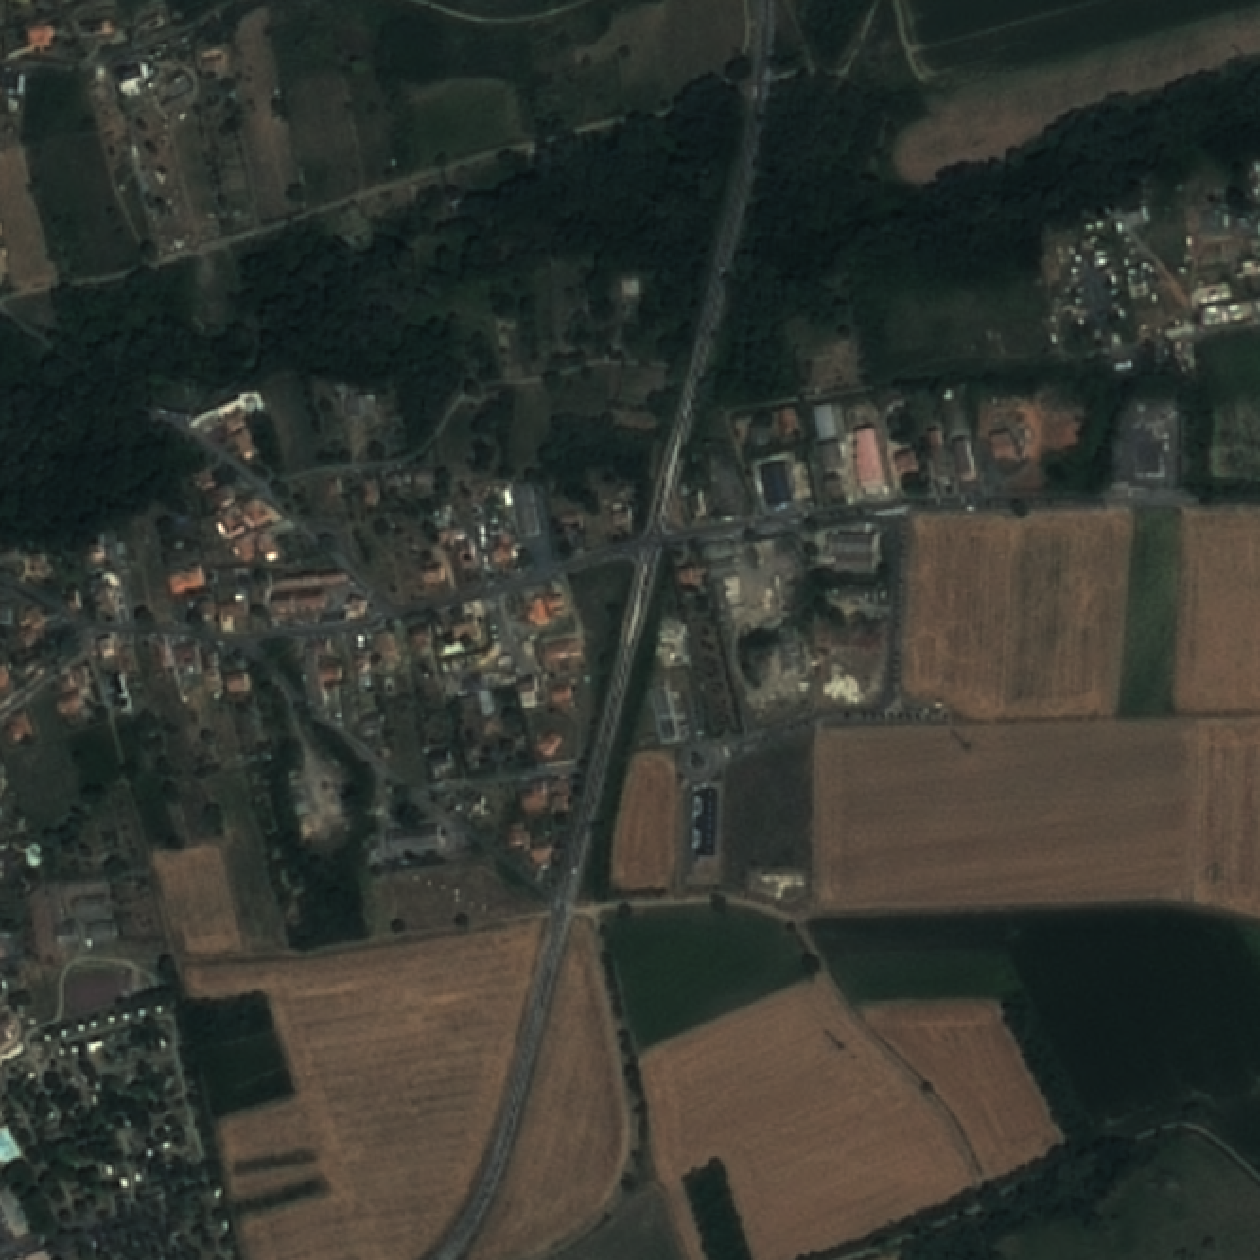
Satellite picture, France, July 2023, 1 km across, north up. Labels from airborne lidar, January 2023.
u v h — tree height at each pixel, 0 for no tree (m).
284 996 0
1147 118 19
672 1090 0
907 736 0
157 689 0
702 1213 6
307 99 0
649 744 0
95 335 14
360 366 22
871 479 0
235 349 15
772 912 0
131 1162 9
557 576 0
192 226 0
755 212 13
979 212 24
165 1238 17
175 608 0
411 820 22
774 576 0
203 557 0
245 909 0
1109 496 0
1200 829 0
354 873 6
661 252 15
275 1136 0
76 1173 14
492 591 0
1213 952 0
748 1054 0
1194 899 0
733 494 0
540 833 0
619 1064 0
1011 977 0
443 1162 0
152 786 0
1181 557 0
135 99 0
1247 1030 0
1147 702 0
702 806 0
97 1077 8
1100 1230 18
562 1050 0
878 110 10
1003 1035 0
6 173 0
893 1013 0
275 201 0
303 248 11
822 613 6
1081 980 0
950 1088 0
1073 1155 15
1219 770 0
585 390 0
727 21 0
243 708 6
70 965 0
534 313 9
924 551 0
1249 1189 0
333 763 0
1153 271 0
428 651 0
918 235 9
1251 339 0
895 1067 0
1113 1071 0
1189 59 0
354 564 0
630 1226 0
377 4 6
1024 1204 12
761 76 0
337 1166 0
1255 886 0
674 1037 0
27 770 0
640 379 0
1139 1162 12
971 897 0
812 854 0
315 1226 0
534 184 21
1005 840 0
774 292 24
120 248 0
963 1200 6
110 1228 16
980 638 0
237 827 0
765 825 0
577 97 0
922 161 0
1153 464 0
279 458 10
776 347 15
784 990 0
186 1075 7
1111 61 0
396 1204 0
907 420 9
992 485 0
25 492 10
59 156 0
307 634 0
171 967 15
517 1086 0
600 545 0
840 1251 6
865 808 0
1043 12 0
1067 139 15
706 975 0
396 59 9
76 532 19
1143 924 0
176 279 10
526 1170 0
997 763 0
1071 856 0
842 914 0
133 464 18
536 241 20
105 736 0
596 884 0
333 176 0
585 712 0
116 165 0
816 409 0
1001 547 0
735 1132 0
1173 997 0
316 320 19
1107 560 0
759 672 0
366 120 0
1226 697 0
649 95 0
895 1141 0
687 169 22
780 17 0
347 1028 0
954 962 0
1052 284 0
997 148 0
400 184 0
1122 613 0
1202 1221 0
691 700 0
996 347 0
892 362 0
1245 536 0
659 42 0
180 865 0
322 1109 0
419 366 13
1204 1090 0
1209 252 0
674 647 0
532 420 0
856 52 0
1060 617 0
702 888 0
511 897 0
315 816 0
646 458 9
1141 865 0
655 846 0
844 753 0
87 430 21
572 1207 0
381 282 17
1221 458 0
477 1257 0
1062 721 0
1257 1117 0
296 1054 0
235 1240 8
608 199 34
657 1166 0
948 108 0
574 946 0
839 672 0
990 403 0
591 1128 0
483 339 7
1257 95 20
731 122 23
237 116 6
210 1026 9
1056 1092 5
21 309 0
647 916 0
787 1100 0
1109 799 0
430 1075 0
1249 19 0
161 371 16
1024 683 0
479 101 0
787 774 0
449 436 0
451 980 0
